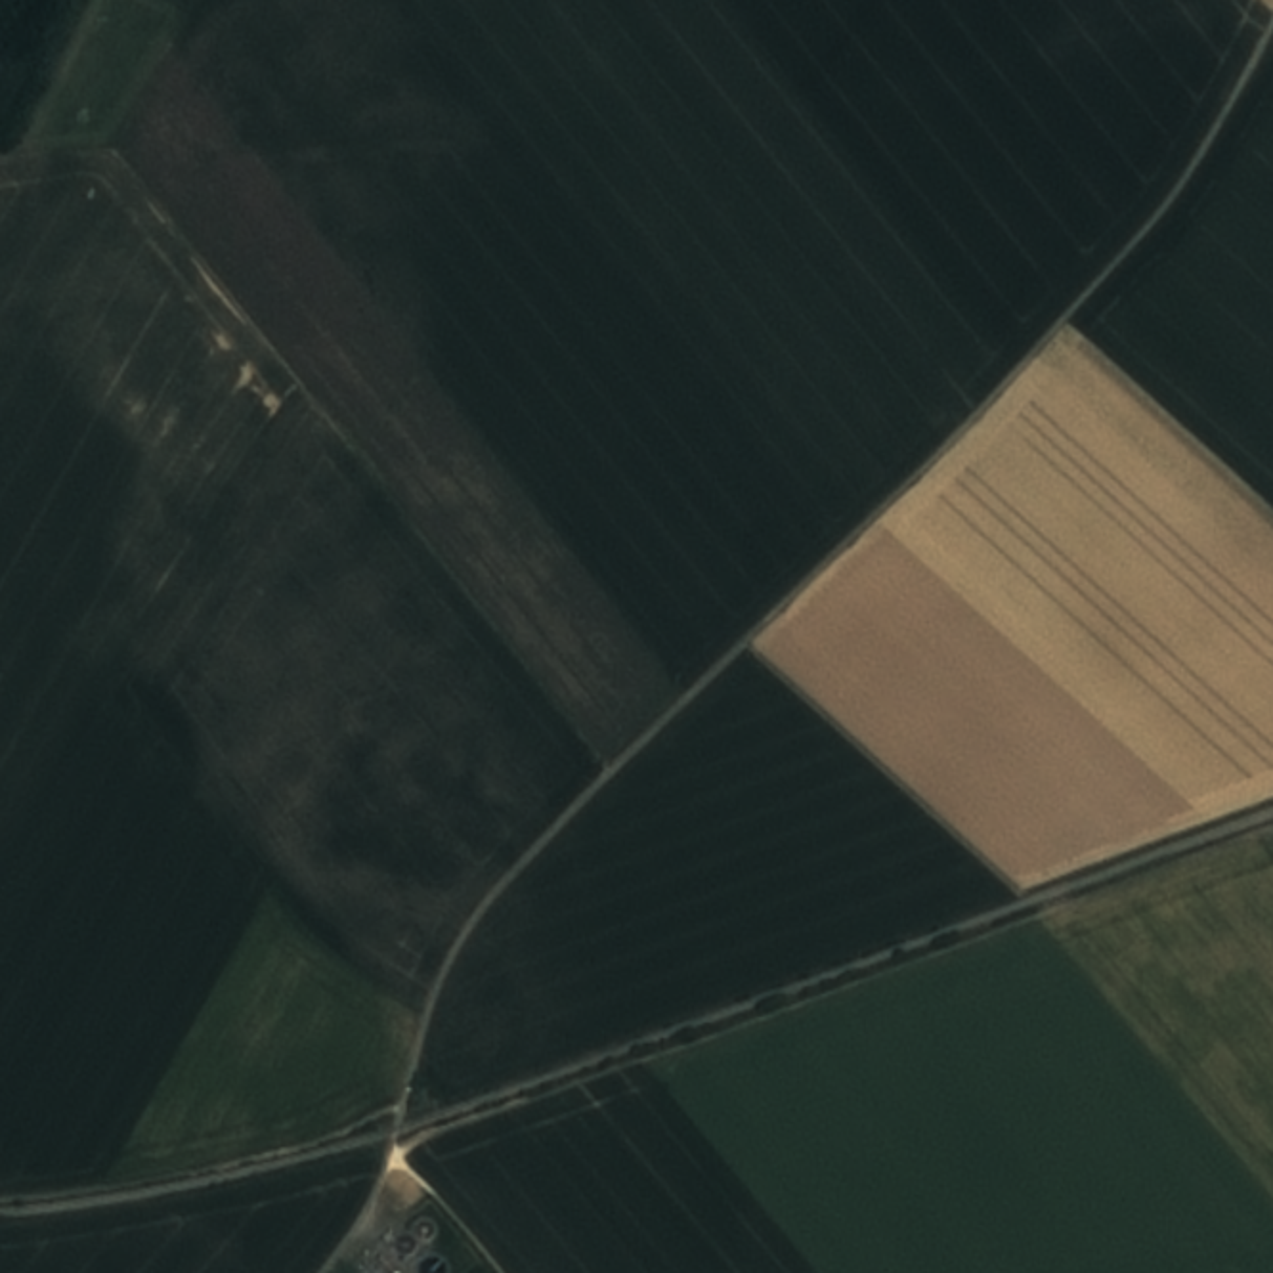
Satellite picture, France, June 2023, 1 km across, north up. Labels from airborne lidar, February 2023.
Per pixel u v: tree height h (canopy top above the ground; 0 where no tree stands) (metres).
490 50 0
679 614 0
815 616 0
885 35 0
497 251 0
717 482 0
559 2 0
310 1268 0
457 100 0
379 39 0
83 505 0
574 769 0
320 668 0
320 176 0
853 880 0
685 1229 0
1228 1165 0
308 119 0
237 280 0
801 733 0
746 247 0
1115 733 0
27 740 0
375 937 0
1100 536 0
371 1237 0
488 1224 0
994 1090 0
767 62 0
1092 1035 0
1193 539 0
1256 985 0
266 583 0
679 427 0
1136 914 0
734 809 0
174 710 0
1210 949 0
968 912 0
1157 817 0
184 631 0
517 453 0
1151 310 0
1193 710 0
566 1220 0
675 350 0
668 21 0
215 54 0
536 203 0
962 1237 0
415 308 0
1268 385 0
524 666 0
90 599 0
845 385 0
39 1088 0
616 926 0
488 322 0
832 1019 0
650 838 0
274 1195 0
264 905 0
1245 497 0
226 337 0
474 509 0
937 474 0
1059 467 0
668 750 0
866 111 0
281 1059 0
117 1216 0
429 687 0
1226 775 0
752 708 0
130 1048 0
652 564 0
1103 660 0
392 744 0
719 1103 0
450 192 0
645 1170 0
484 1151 0
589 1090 0
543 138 0
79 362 0
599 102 0
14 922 0
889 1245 0
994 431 0
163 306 0
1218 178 0
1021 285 0
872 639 0
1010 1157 0
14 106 7
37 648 0
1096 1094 0
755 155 0
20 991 0
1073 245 0
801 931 0
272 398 0
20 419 0
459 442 0
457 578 0
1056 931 0
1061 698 0
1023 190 0
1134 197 0
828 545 0
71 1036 0
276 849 0
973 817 0
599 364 0
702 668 0
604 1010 0
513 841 0
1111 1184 0
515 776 0
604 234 0
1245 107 0
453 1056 0
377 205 0
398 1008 0
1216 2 0
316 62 0
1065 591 0
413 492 0
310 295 0
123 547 0
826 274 0
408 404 0
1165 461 0
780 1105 0
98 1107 0
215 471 0
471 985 0
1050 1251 0
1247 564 0
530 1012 0
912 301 0
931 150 0
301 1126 0
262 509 0
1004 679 0
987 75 0
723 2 0
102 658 0
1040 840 0
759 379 0
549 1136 0
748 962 0
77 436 0
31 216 0
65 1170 0
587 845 0
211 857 0
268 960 0
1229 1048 0
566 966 0
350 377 0
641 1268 0
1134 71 0
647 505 0
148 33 0
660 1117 0
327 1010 0
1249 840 0
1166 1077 0
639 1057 8
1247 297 0
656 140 0
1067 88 0
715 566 0
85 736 0
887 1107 0
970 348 0
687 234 0
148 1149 0
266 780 0
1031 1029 0
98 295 0
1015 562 0
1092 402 0
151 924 0
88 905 0
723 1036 0
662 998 0
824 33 0
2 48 7
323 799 0
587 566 0
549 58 0
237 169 0
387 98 0
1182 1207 0
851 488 0
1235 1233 0
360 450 0
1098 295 0
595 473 0
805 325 0
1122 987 0
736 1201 0
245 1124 0
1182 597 0
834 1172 0
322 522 0
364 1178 0
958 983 0
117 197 0
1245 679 0
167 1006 0
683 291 0
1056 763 0
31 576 0
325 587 0
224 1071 0
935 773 0
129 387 0
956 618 0
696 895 0
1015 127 0
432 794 0
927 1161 0
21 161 0
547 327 0
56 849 0
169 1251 0
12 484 0
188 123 0
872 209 0
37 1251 0
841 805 0
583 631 0
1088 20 0
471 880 0
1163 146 0
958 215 0
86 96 0
